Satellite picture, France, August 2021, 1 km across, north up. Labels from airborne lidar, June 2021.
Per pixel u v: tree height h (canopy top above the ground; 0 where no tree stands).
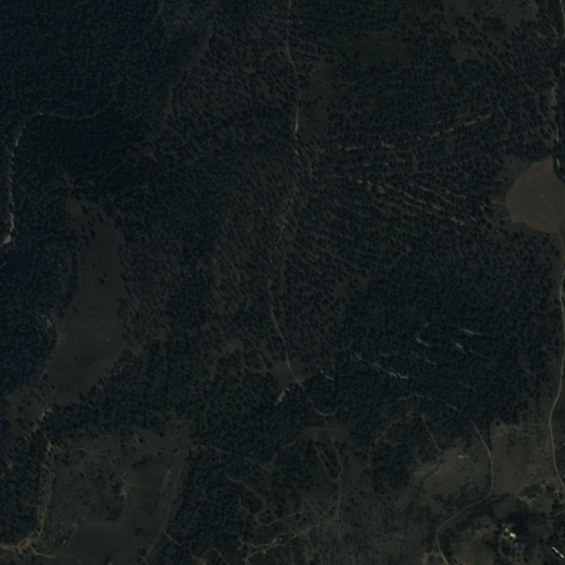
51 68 21
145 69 19
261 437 10
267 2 9
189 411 6
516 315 12
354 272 11
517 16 0
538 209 0
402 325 12
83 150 16
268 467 0
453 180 9
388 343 11
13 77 25
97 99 22
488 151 12
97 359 0
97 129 12
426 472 0
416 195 11
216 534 11
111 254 0
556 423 0
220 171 24
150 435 0
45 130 8
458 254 10
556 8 14
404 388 10
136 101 18
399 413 6
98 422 19
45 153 11
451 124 11
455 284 10
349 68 9
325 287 12
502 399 7
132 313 17
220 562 7
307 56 7
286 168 20
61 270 12
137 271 22
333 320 10
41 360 11
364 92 9
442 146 10
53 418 19
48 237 18
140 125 8
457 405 9
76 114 27
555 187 0
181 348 18
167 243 20
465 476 0
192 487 12
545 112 12
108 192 15
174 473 0
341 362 10
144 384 10
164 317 20
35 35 24
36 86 22
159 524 0
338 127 9
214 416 12
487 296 13
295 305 12
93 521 0
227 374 20
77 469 0
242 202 21
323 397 12
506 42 8
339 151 12
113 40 12
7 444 18
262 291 22
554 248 12
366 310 8
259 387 10
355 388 13
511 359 15
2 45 22
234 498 10
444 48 12
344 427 0
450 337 13
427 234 13
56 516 0
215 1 0
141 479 0
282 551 0
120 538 0
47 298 13
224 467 9
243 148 24
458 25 9
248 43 10
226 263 21
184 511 11
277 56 12
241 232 20
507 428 0
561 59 15
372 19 12
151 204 23
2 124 24
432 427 10
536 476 0
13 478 18
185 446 0
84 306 0
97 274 0
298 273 14
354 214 12
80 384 0
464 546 0
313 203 15
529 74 14
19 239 15
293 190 19
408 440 6
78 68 22
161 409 13
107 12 19
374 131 11
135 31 22
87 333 0
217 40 13
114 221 22
